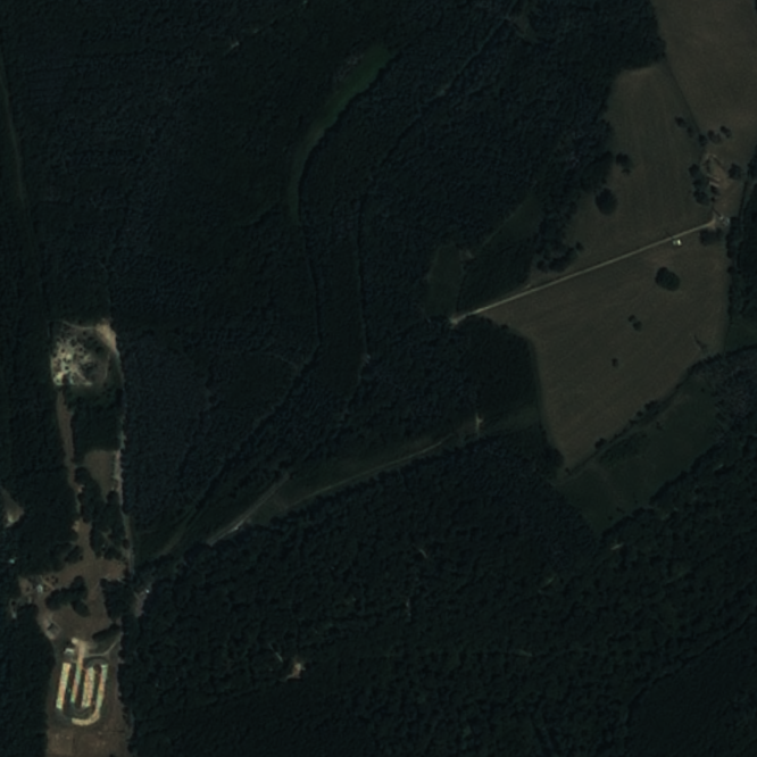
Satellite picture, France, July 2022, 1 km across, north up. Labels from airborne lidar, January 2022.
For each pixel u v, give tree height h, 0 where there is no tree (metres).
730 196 0
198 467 20
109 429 15
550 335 0
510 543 23
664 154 0
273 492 0
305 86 14
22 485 16
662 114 0
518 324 0
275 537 26
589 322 0
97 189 14
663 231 0
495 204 17
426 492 28
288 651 24
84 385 0
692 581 24
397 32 16
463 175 19
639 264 0
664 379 0
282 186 13
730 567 20
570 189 20
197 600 25
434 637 16
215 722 18
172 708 20
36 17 9
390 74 14
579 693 28
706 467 19
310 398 22
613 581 21
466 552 23
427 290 19
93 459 0
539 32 24
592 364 0
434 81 18
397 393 21
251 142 23
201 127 15
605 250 0
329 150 16
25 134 13
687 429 0
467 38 17
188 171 17
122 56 11
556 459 23
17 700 16
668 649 19
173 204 19
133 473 12
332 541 27
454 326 21
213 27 16
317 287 20
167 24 15
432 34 20
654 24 18
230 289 11
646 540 21
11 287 13
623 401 0
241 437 21
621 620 21
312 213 19
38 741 19
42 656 19
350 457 18
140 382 13
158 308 23
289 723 22
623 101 0
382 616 20
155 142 17
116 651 0
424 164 20
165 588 19
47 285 12
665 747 15
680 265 0
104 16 9
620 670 21
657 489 0
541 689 25
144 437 13
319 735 20
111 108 17
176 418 15
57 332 7
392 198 17
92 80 16
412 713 21
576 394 0
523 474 20
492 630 17
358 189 14
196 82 15
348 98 0
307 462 17
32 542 15
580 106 22
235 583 27
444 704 28
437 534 25
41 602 0
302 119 23
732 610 28
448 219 18
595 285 0
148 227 16
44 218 15
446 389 21
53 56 12
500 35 19
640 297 0
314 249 20
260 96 8
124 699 12
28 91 11
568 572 23
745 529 20
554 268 15
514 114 19
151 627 21
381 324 19
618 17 18
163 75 17
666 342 0
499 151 18
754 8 0
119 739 0
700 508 18
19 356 12
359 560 27
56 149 18
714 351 0
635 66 15
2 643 15
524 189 20
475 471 22
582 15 21
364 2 22
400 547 25
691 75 0
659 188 0
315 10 14
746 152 0
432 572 23
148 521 16
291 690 12
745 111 0
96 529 13
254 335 21
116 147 13
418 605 24
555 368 0
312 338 23
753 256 8
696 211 0
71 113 17
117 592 20
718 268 0
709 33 0
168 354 16
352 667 20
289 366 15
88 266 14
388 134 10
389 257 18
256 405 15
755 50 0
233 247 19
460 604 21
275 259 13
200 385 15
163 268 22
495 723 25
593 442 0
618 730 21
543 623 23
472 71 12
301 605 27
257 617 27
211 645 23
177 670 23
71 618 0
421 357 21
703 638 21
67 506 15
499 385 11
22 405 17
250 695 13
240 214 11
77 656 0
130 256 21
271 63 20
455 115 23
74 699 0
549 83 22
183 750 17
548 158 18
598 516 0
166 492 17
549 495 23
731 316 9
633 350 0
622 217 0
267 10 17
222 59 15
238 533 0
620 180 0
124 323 16
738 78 0
